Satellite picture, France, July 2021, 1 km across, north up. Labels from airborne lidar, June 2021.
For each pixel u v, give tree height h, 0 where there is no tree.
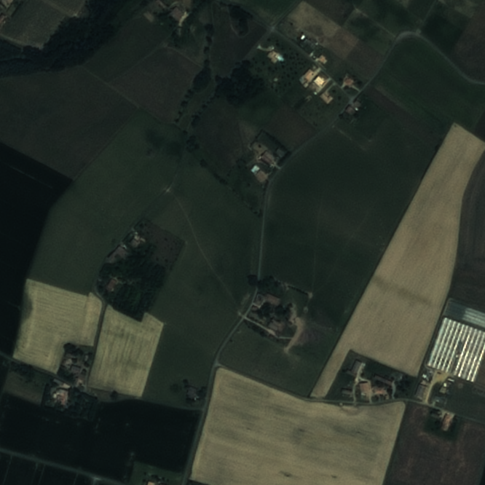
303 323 0
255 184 0
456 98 0
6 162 0
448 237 0
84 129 0
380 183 0
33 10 0
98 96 0
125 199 0
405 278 0
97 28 20
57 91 0
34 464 0
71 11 0
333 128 0
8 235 0
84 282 0
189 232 0
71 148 0
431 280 0
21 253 0
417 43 0
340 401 0
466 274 0
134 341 0
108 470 0
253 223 0
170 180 0
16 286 0
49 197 0
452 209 0
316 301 0
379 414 0
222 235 0
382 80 0
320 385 0
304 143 0
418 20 0
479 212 0
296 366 0
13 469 0
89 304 0
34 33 0
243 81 12
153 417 0
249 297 0
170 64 0
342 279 0
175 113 0
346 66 0
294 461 0
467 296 0
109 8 33
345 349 0
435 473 0
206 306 0
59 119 0
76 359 9
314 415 0
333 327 0
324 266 0
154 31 0
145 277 8
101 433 0
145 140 0
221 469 0
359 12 0
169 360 0
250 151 0
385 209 0
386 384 6
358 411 0
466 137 0
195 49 0
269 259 0
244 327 0
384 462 0
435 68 0
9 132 0
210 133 0
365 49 0
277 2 0
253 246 0
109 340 0
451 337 0
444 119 0
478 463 0
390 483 0
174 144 0
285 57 7
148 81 0
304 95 0
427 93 0
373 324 0
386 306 0
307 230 0
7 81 0
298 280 0
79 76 0
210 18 0
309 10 0
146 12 0
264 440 0
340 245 0
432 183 0
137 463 0
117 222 0
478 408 0
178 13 0
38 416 0
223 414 0
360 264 0
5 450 0
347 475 0
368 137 0
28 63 18
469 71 0
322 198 0
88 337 0
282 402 0
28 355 0
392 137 0
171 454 0
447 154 0
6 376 0
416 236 0
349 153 0
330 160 0
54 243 0
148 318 0
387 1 0
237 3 0
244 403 0
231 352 0
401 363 0
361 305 0
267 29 0
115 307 6
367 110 0
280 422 0
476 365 0
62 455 0
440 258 0
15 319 0
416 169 0
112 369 0
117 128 0
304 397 0
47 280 0
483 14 0
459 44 0
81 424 0
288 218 0
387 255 0
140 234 7
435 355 0
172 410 0
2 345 0
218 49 0
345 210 0
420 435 0
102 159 0
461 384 0
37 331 0
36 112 0
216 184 0
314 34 0
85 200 0
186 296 0
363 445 0
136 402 0
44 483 0
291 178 0
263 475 0
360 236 0
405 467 0
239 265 0
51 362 0
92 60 0
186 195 0
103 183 0
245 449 0
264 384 0
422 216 0
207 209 0
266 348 0
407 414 0
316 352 0
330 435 0
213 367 0
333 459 0
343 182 0
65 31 15
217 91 12
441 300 0
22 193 0
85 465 0
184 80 0
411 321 0
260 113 0
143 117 0
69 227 0
